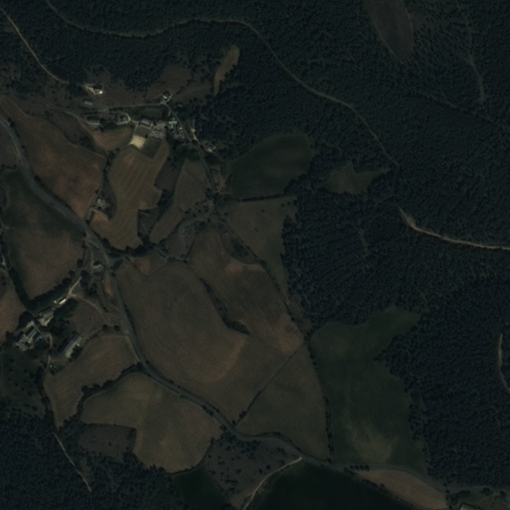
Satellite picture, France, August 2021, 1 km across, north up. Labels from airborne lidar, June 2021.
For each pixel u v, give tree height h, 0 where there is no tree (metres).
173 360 0
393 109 12
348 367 0
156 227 0
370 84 13
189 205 0
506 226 14
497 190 14
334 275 14
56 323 8
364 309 14
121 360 0
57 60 13
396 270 15
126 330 0
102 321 0
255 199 6
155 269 0
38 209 0
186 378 0
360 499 0
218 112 11
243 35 15
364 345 0
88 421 0
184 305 0
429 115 10
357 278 16
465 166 13
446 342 18
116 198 0
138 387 0
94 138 0
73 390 0
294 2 13
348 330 0
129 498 8
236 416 0
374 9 0
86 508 20
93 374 0
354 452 0
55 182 0
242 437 0
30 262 0
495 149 10
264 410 0
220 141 10
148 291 0
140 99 0
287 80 19
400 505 0
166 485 8
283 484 0
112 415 0
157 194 0
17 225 0
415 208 17
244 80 21
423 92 12
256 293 0
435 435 13
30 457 18
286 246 13
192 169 0
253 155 0
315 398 0
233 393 0
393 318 0
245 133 12
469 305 19
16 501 20
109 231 0
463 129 11
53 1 15
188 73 0
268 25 15
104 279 0
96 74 11
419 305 18
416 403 8
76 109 0
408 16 0
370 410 0
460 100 10
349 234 12
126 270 0
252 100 17
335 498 0
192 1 15
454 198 20
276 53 16
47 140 0
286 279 0
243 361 0
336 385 0
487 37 7
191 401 0
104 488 12
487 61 7
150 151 0
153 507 0
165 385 0
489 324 17
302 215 10
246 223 0
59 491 15
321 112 18
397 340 9
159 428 0
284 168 0
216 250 0
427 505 0
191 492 0
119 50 10
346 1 10
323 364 0
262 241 0
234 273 0
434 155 16
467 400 15
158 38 13
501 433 15
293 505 0
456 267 18
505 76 9
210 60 14
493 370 14
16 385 7
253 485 0
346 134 18
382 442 0
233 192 0
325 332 0
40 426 10
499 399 15
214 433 0
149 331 0
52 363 0
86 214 0
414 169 16
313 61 11
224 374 0
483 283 18
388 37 0
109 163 8
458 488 0
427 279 15
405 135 13
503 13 11
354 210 14
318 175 16
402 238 12
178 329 0
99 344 0
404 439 0
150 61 15
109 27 16
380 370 0
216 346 0
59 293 12
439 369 14
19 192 0
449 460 7
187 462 0
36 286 0
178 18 9
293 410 0
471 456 11
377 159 9
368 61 10
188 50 10
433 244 14
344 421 0
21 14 14
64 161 0
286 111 17
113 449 0
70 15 17
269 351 0
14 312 0
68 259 0
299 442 0
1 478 17
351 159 8
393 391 0
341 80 14
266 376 0
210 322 0
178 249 0
